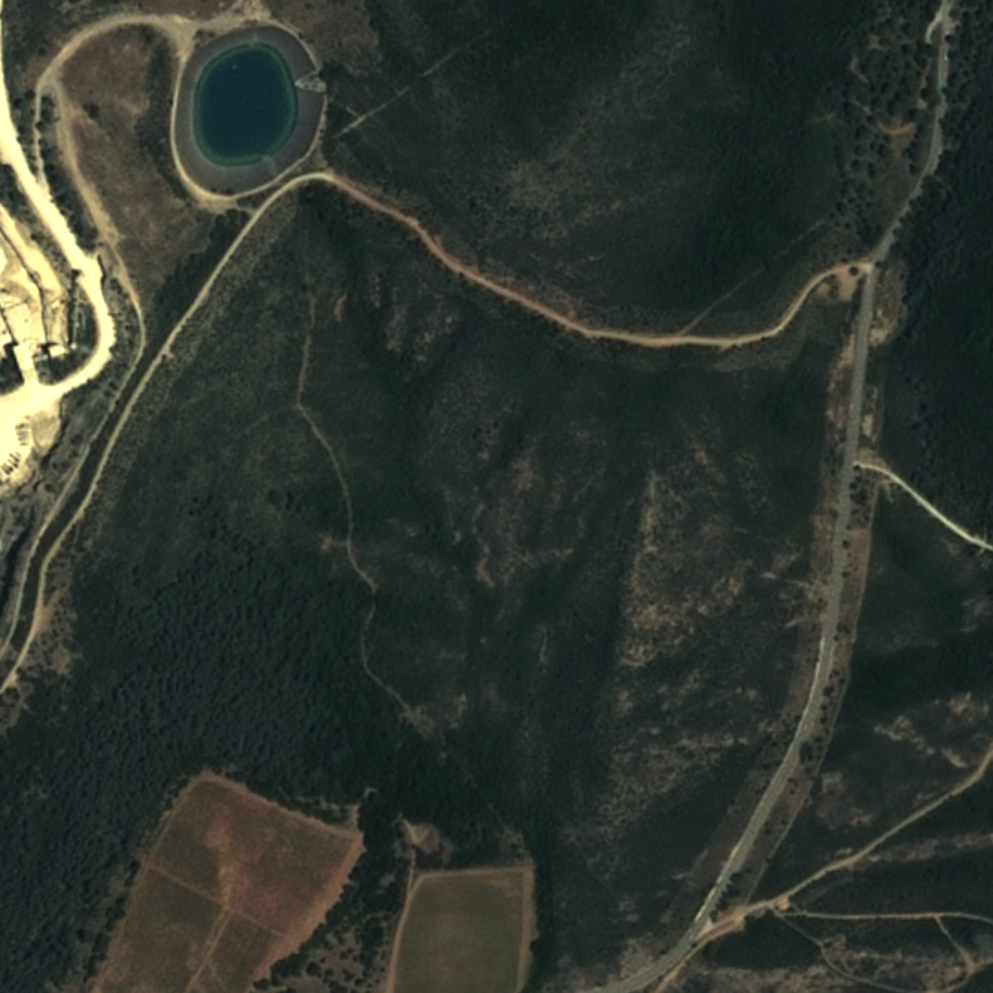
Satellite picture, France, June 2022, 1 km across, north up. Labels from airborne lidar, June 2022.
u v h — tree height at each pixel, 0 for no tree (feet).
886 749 0
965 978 21
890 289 0
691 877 0
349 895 33
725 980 0
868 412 0
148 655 25
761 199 36
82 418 0
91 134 0
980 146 52
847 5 28
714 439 0
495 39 19
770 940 0
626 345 23
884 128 0
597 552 0
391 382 33
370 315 27
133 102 0
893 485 0
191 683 42
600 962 0
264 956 0
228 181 0
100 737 62
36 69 0
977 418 26
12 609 0
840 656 0
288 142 0
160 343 19
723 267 40
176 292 20
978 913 21
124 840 26
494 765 19
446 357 20
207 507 47
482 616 18
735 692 0
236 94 0
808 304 0
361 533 25
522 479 0
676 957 0
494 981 0
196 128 0
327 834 0
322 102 0
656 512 0
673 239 20
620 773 0
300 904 0
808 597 0
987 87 47
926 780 0
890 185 0
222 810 0
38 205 0
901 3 41
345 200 31
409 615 22
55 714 20
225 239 17
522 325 18
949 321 31
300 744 64
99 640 22
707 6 18
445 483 0
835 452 21
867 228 29
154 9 0
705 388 0
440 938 0
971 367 36
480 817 31
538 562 0
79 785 67
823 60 18
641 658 0
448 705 0
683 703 0
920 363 24
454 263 0
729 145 27
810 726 0
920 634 0
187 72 0
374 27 26
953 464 22
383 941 27
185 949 0
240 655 45
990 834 0
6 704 22
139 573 51
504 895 0
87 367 0
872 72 58
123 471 17
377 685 28
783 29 31
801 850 0
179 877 0
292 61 0
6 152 0
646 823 19
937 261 53
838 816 0
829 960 0
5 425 0
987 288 37
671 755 0
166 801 26
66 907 69
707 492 0
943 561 0
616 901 0
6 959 43
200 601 56
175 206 0
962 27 29
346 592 37
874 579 0
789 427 18
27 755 21
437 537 39
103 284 0
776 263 21
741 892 22
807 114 19
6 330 0
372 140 0
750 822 0
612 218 0
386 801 51
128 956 0
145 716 53
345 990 45
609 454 0
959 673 21
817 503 0
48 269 0
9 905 63
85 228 38
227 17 0
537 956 28
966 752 0
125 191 0
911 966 0
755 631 0
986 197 35
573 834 0
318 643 54
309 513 48
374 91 0
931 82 22
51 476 0
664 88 0
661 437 0
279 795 37
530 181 0
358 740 59
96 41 0
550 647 0
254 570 51
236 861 0
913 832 0
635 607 0
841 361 0
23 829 38
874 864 0
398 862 36
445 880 0
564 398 0
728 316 0
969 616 0
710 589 0
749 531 0
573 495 0
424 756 33
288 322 21
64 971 49
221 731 63
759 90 30
